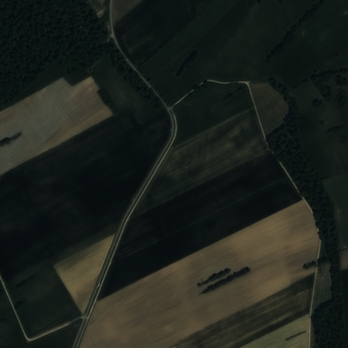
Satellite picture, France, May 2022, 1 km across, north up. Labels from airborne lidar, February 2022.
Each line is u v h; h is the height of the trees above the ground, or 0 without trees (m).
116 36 0
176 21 0
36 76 21
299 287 0
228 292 0
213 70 0
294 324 0
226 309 0
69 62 22
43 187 0
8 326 0
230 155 0
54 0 23
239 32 0
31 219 0
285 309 0
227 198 0
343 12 0
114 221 0
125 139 0
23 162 0
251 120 0
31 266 0
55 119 0
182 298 0
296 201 0
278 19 0
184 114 0
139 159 0
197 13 0
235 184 0
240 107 0
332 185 0
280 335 0
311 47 0
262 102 0
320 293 0
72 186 0
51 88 0
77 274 0
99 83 0
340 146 0
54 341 0
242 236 0
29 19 27
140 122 0
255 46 0
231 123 0
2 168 0
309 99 0
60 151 0
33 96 0
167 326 0
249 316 0
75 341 0
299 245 0
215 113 0
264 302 0
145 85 9
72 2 23
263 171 0
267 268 0
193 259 0
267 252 0
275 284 0
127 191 0
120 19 0
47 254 0
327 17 0
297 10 0
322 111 0
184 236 0
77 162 0
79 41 27
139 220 0
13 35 21
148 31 0
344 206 0
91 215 0
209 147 0
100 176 0
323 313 19
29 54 23
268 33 0
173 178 0
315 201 15
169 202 0
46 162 0
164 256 0
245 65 0
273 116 0
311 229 0
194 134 0
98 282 0
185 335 0
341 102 12
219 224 0
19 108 0
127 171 0
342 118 0
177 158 0
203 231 0
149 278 0
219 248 0
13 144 0
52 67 0
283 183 0
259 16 0
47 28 24
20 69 30
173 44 0
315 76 12
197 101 0
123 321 0
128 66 10
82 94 0
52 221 0
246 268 7
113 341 0
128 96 0
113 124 0
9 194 0
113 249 0
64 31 29
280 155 22
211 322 0
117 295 0
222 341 0
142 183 0
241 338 0
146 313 0
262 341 0
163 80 0
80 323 0
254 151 0
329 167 0
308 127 0
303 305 0
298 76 0
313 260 0
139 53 0
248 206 0
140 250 0
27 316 0
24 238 0
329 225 21
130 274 0
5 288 0
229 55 0
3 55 28
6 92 27
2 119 0
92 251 0
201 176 0
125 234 0
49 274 0
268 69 0
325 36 0
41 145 0
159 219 0
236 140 0
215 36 0
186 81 0
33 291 0
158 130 0
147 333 0
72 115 0
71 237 0
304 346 0
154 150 0
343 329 22
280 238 0
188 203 0
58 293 0
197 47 0
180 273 0
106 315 0
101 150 0
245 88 0
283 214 0
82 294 0
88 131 0
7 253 0
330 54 0
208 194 0
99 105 0
